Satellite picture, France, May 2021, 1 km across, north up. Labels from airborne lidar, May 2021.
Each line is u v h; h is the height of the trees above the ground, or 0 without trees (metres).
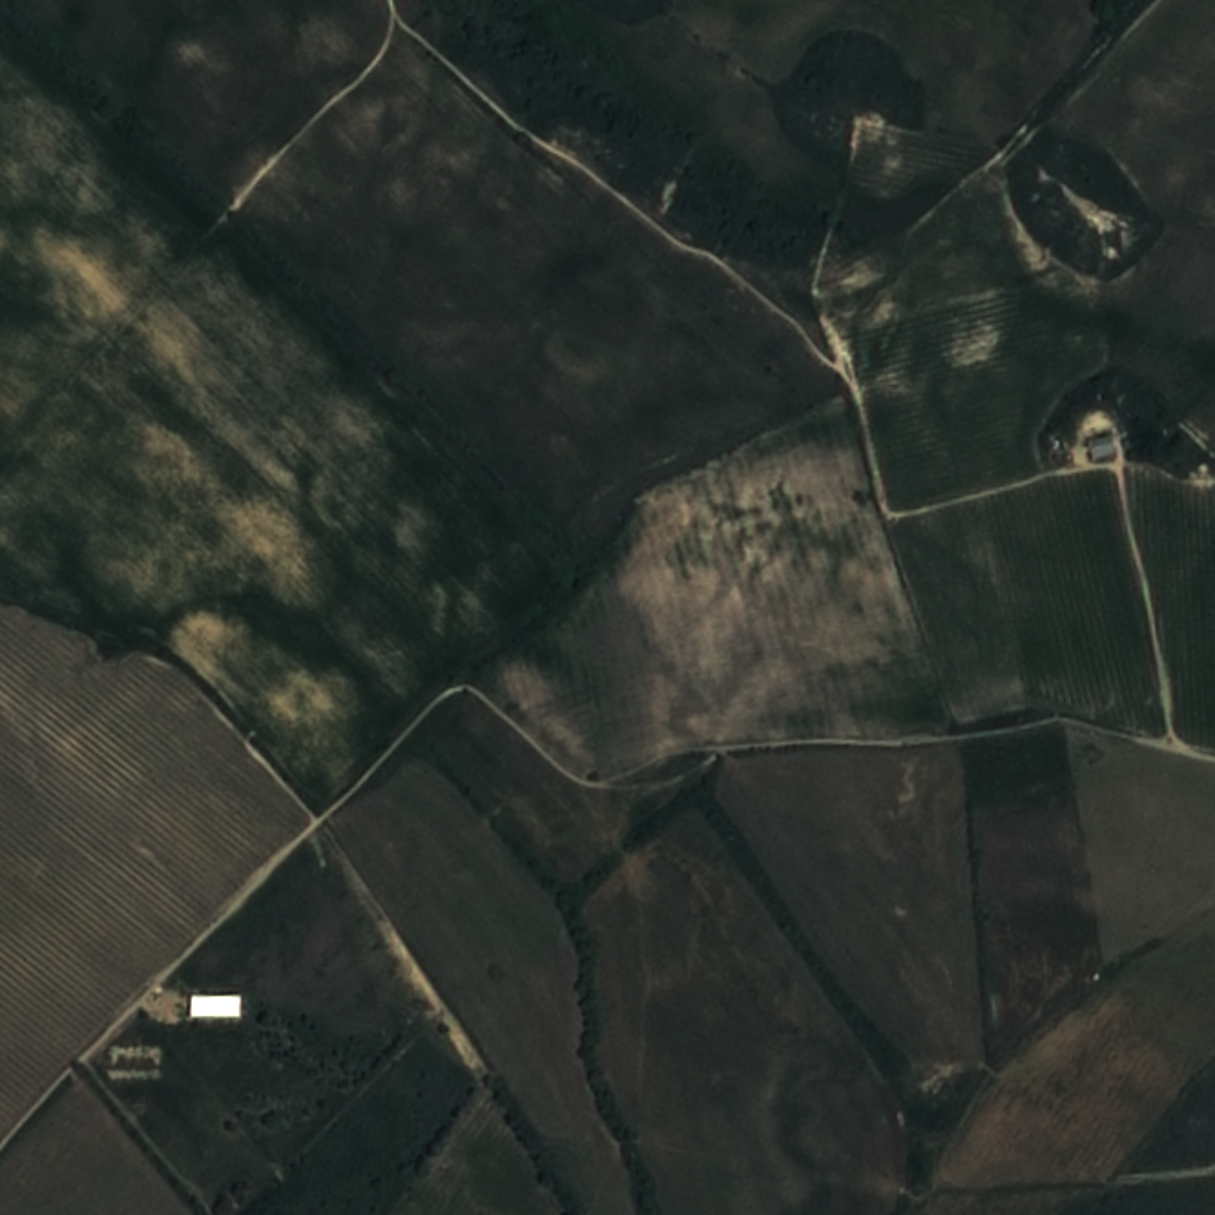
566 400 0
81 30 0
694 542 0
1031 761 0
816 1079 0
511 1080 0
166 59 0
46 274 0
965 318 0
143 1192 0
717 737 0
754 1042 0
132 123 6
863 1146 0
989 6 0
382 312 0
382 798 0
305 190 0
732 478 0
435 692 0
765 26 0
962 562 0
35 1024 0
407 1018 0
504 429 0
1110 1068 0
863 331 0
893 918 0
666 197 0
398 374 9
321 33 0
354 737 0
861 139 0
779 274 0
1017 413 0
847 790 0
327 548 0
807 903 0
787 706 0
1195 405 0
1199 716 0
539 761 0
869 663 0
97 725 0
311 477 0
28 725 0
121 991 0
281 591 0
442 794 0
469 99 0
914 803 0
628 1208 0
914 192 0
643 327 0
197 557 0
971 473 0
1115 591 0
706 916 0
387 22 0
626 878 0
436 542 0
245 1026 0
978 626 0
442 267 0
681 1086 0
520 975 0
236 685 0
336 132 0
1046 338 0
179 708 0
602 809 0
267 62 0
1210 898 0
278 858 0
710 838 0
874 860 0
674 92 0
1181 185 0
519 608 0
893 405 0
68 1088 0
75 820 0
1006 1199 0
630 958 0
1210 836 0
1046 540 0
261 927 0
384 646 0
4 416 0
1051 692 0
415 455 0
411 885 0
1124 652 0
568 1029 0
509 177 0
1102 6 11
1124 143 0
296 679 0
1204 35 0
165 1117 0
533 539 0
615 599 0
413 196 0
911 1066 0
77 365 0
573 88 8
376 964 0
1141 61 0
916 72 0
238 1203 7
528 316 0
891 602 0
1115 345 0
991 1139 0
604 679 0
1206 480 0
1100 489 0
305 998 0
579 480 0
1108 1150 0
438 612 0
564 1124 0
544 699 0
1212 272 0
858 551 0
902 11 0
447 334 0
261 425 0
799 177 0
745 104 0
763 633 0
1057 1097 0
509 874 0
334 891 0
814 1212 0
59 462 0
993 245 0
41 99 0
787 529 0
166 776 0
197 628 0
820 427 0
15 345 0
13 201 0
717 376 0
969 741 0
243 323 0
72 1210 0
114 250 0
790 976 0
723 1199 0
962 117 0
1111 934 0
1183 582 0
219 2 0
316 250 0
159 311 0
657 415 0
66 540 0
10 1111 0
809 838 0
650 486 0
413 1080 0
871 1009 0
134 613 0
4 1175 0
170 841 0
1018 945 0
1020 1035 0
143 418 0
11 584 0
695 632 0
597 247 0
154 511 0
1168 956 0
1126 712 0
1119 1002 0
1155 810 0
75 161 0
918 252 0
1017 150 0
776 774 0
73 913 0
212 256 0
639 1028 0
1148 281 0
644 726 0
